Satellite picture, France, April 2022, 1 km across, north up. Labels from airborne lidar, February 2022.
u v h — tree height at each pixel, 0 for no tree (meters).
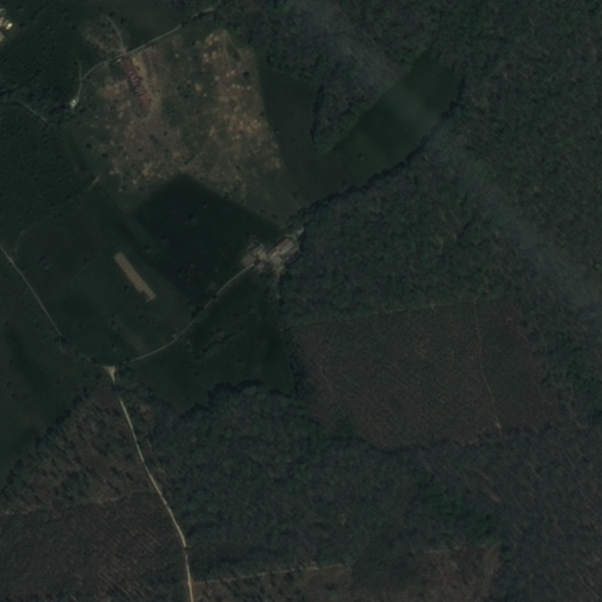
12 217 0
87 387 0
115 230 0
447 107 0
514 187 34
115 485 0
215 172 0
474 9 24
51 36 0
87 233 0
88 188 0
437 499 21
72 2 0
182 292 0
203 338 0
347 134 22
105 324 0
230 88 0
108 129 0
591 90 0
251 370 0
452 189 31
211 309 0
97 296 0
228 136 0
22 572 9
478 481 27
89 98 0
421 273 26
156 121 0
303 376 12
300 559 31
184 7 20
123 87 0
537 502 0
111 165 0
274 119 0
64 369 0
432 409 9
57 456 29
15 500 0
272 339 0
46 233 0
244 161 0
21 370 0
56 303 0
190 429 31
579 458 0
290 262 0
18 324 0
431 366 6
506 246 27
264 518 29
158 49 0
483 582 31
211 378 0
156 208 0
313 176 0
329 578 0
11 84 9
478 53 31
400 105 0
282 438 35
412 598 0
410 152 0
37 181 0
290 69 23
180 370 0
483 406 0
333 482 29
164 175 0
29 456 0
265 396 32
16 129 0
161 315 0
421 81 0
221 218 0
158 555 8
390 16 31
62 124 15
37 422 0
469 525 29
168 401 0
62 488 0
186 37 0
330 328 7
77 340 0
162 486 27
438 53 27
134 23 0
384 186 27
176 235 0
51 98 10
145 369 0
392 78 27
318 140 25
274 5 29
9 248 0
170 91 0
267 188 0
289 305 27
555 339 30
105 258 0
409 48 32
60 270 0
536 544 30
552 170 31
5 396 0
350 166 0
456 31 30
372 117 0
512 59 28
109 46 0
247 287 0
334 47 30
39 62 0
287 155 0
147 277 0
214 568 7
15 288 0
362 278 31
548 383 12
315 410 9
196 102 0
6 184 0
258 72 0
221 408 27
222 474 31
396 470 32
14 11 0
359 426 10
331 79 29
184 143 0
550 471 0
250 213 0
